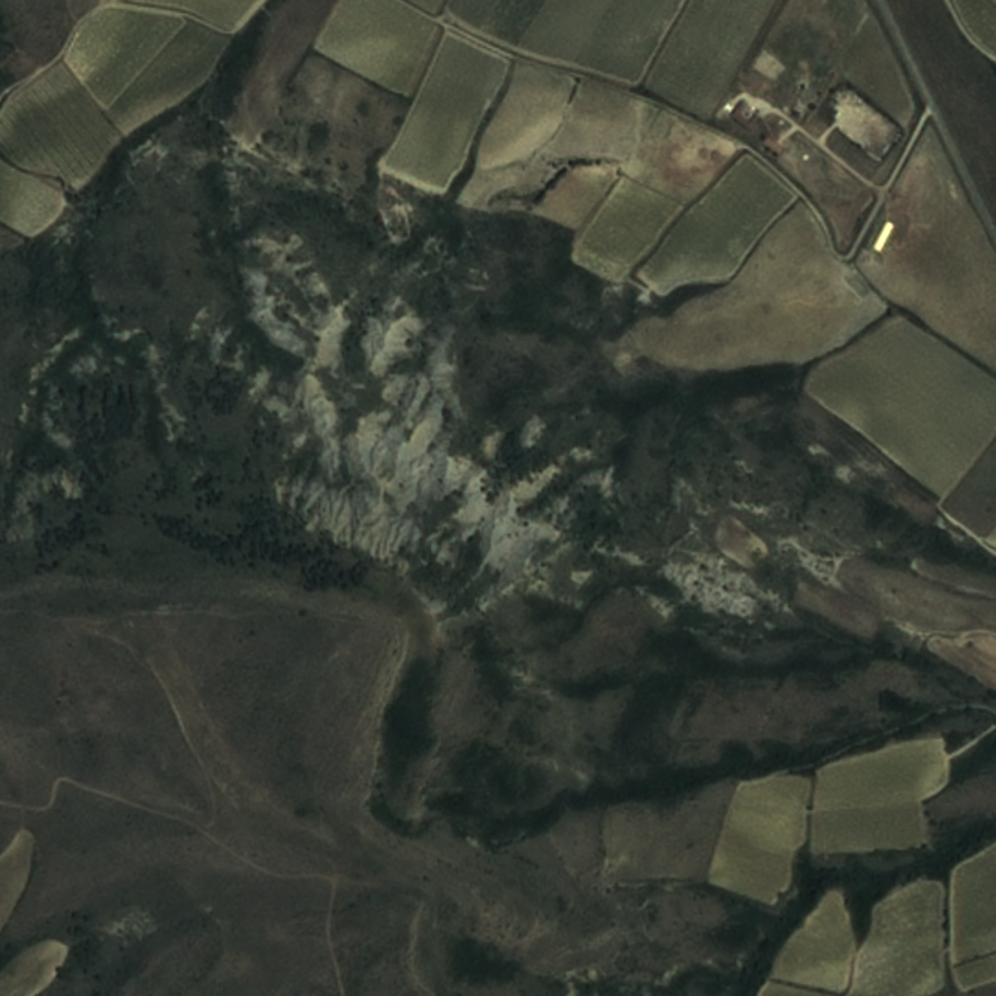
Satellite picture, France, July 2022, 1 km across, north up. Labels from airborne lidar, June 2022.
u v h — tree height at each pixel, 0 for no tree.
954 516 0
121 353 0
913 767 0
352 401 0
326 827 0
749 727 0
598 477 0
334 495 0
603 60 0
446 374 0
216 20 0
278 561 8
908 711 8
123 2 0
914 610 0
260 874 0
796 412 0
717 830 0
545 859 0
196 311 0
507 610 0
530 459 9
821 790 0
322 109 0
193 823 0
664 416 0
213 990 0
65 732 0
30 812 0
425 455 0
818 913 0
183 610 0
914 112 0
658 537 0
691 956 0
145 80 0
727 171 0
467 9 0
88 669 0
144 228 0
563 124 0
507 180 0
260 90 0
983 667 0
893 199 0
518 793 0
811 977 0
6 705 0
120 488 0
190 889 0
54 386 0
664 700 0
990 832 11
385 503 0
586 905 0
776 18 0
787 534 0
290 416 0
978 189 0
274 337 0
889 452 0
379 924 0
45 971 0
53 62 0
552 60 0
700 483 0
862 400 0
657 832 0
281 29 0
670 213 0
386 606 0
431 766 0
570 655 0
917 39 0
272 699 0
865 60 0
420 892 0
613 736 0
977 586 0
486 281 0
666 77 0
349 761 0
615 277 0
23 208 0
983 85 0
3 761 0
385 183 0
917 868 8
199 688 0
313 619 0
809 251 0
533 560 0
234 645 0
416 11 0
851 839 0
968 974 0
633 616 0
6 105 0
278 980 0
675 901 0
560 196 0
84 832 0
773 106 0
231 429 0
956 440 0
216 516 0
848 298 0
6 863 0
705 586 0
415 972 0
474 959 0
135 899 0
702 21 0
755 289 0
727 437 0
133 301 0
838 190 0
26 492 0
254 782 0
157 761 0
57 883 0
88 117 0
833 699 0
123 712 0
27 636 0
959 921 0
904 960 0
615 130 0
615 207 0
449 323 0
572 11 0
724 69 0
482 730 0
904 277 0
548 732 0
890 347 0
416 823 0
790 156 0
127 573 0
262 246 0
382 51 0
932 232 0
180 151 0
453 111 0
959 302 0
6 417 0
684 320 0
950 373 0
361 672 0
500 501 0
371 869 0
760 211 0
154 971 0
